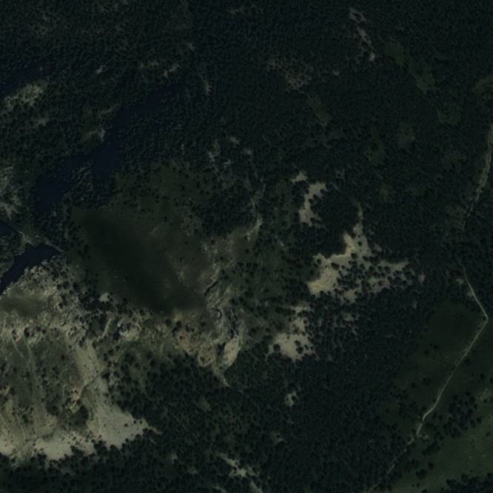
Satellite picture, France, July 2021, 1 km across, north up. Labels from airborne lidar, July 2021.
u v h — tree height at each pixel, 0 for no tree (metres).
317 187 0
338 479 26
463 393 0
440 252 23
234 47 17
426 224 18
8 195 8
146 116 21
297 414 19
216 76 11
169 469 0
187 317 0
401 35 26
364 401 19
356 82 22
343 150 22
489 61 24
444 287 20
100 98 21
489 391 0
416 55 21
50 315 0
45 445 0
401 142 0
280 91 21
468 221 15
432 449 23
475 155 19
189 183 0
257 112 17
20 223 8
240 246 0
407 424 0
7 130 16
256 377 10
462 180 24
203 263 0
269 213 13
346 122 25
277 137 18
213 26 19
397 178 25
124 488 26
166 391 27
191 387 22
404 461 26
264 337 12
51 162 17
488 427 0
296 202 17
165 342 0
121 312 14
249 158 15
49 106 14
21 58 16
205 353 0
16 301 0
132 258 0
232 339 0
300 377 20
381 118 23
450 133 25
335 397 25
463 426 19
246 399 21
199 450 18
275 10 22
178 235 0
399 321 26
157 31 15
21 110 25
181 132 10
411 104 22
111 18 26
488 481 6
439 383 0
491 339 0
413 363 0
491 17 29
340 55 21
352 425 27
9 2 16
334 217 20
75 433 0
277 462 28
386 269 15
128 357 16
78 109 14
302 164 18
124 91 26
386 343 28
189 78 21
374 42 26
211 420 15
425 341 0
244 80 22
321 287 0
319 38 13
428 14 32
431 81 0
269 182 8
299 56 16
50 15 13
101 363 0
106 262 0
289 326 0
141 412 23
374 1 25
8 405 0
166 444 12
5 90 13
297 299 13
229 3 19
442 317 0
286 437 22
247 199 13
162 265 0
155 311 0
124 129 19
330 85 25
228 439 0
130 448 14
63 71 8
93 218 0
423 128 24
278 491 27
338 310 20
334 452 26
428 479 0
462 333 0
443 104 28
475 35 30
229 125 21
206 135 16
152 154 10
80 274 0
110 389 13
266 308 10
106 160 16
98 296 12
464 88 24
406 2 28
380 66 30
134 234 0
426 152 24
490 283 8
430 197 29
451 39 17
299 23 11
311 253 14
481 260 21
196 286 0
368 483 16
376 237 18
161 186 0
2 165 8
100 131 0
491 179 11
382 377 27
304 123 20
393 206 23
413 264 16
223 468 21
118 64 15
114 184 10
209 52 17
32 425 0
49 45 13
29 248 0
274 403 20
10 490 11
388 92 21
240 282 0
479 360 0
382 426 23
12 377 0
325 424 27
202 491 24
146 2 18
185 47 13
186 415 12
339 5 12
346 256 0
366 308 18
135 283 0
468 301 16
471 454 0
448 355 0
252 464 19
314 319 14
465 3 28
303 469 21
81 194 18
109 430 0
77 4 12
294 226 15
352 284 16
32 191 9
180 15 11
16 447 0
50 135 22
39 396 0
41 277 0
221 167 9
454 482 11
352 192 20
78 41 15
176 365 22
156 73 10
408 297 25
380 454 10
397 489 0
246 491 22
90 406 0
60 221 11
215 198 11
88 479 0
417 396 0
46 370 9
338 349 16
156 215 0
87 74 14
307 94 24
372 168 26
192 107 20
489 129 13
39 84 9
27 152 13
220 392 17
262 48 12
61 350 0
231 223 14
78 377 0
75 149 9
